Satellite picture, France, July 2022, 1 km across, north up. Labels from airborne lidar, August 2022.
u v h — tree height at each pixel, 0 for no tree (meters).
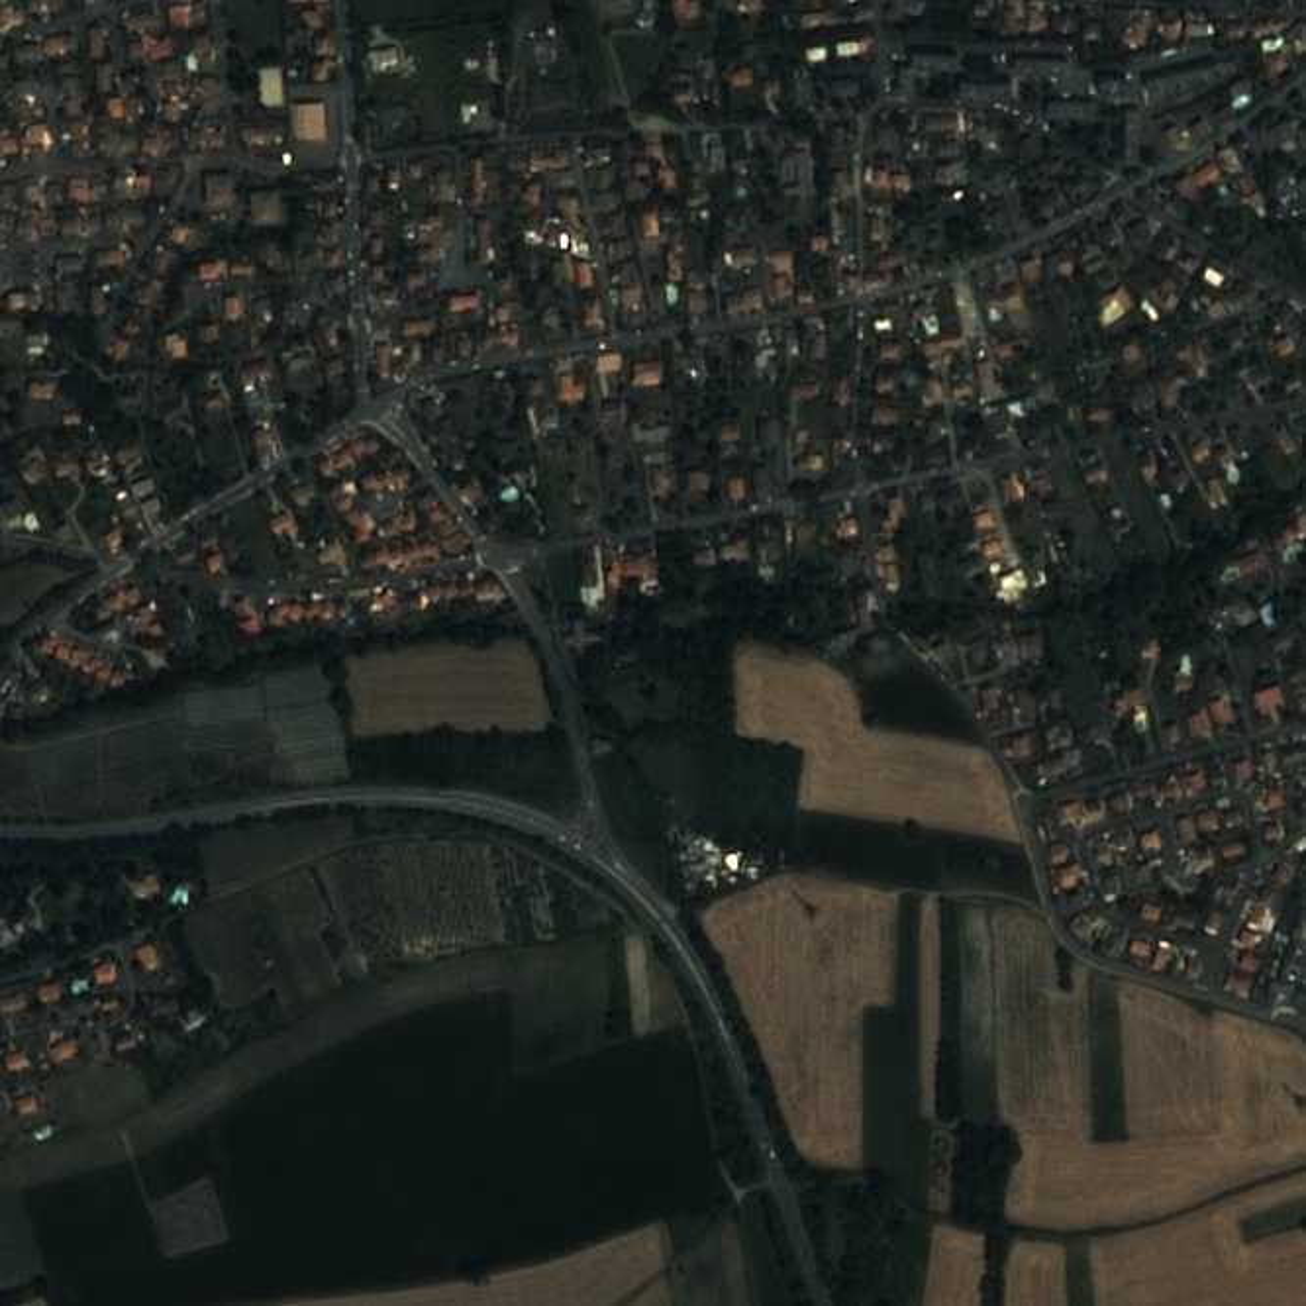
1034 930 0
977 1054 0
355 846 0
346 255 0
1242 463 7
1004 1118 0
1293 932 0
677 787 0
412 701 0
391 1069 0
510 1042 0
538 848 9
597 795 0
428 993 0
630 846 0
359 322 0
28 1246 0
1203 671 6
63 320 15
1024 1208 0
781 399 8
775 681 0
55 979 7
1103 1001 0
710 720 6
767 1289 0
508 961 0
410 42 0
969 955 0
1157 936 0
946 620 7
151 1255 0
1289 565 0
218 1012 8
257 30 0
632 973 0
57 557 7
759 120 11
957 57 0
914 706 0
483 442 11
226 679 8
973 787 0
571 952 0
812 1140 0
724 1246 0
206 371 9
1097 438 9
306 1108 0
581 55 9
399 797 0
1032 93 17
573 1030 0
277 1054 0
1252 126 6
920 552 7
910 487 0
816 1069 0
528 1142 0
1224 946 0
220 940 0
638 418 7
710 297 9
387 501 0
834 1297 11
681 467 7
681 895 8
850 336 9
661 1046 0
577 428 8
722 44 8
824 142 11
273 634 9
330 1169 0
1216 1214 0
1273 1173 0
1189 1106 0
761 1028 0
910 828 11
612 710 11
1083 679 0
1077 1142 0
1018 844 0
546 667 6
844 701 0
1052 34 7
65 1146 0
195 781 0
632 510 17
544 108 0
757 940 0
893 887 0
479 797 0
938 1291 0
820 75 8
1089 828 0
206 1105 0
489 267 7
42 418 0
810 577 8
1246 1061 0
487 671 0
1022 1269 0
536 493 8
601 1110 0
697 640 19
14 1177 0
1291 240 10
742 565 8
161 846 9
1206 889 11
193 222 7
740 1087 0
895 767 0
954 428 7
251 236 7
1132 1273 0
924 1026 0
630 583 11
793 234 9
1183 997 0
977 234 10
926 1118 0
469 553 5
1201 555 22
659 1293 0
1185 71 0
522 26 0
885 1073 0
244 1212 0
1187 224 8
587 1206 0
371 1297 0
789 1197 0
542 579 0
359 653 13
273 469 0
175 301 10
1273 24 0
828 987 0
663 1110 0
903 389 8
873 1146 0
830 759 0
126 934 10
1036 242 0
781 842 7
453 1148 0
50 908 0
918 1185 0
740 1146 15
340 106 0
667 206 9
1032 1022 0
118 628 0
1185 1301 0
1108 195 0
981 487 0
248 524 0
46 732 6
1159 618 11
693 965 0
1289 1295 0
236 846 0
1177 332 11
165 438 8
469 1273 17
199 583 0
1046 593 6
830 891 0
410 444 0
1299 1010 0
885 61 0
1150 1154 0
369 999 0
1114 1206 0
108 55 7
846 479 0
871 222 0
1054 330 0
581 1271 0
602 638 13
